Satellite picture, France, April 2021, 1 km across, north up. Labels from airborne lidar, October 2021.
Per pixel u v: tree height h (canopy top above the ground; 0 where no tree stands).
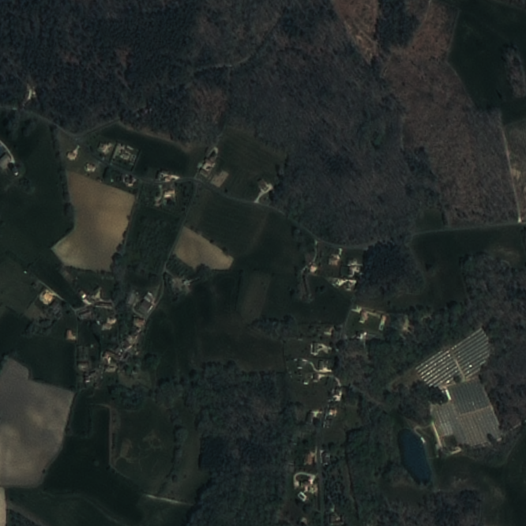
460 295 0
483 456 21
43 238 0
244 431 18
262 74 14
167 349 0
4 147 0
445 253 0
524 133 0
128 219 9
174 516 0
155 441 0
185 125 23
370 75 24
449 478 0
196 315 0
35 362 0
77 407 0
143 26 22
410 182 20
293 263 0
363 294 20
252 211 0
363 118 14
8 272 0
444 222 12
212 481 10
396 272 24
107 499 0
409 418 20
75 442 0
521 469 0
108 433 0
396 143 19
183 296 0
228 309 0
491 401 8
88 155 0
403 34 19
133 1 10
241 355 0
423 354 24
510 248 0
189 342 0
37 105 18
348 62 19
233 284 0
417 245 0
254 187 0
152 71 23
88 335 0
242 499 18
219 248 0
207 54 19
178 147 0
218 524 23
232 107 17
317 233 12
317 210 18
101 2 16
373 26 0
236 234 0
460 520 6
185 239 0
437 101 23
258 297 0
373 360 23
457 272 0
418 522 11
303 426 16
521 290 13
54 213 0
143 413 0
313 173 21
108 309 9
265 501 16
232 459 20
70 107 16
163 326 0
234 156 0
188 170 0
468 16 0
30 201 0
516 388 11
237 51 14
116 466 0
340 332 14
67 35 20
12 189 0
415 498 0
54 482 0
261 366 0
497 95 0
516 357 10
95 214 0
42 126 0
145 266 8
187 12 22
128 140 0
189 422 0
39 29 7
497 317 12
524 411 9
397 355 24
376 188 14
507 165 17
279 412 8
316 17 20
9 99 23
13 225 0
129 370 11
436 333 19
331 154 17
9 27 13
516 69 19
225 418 17
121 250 15
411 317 19
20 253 0
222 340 0
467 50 0
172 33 21
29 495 0
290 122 16
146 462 0
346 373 16
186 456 0
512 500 0
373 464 18
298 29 19
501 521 0
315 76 10
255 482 16
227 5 19
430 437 0
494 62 0
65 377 0
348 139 16
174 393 27
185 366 0
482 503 12
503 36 0
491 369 10
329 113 14
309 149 17
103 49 16
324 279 0
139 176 0
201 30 14
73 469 0
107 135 0
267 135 15
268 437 17
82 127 16
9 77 17
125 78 9
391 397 22
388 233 11
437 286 0
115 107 14
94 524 0
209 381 16
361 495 16
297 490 0
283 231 0
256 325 12
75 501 0
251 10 16
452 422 0
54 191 0
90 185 0
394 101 18
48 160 0
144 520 0
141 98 22
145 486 0
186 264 0
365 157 14
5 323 0
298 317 0
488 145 17
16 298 0
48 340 0
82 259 0
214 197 0
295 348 0
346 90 16
